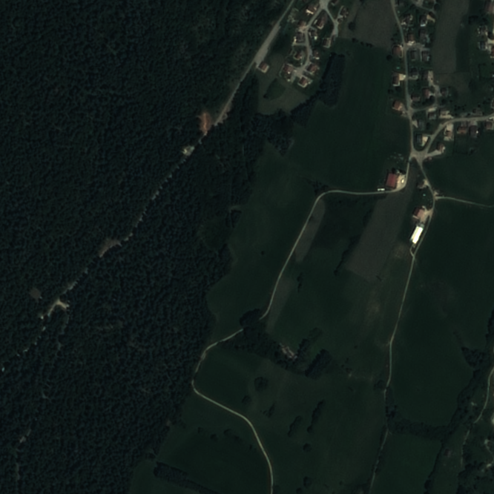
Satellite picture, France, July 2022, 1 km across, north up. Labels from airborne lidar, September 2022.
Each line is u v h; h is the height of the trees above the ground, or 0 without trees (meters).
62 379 21
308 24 0
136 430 26
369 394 0
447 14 0
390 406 7
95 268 32
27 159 10
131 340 32
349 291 0
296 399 0
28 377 29
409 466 0
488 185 0
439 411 0
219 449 0
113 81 23
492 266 0
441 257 0
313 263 0
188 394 24
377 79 0
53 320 17
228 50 8
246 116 17
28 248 24
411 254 0
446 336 0
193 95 17
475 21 15
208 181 19
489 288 0
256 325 8
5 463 26
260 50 0
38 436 19
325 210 0
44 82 30
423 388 0
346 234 0
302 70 0
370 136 0
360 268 0
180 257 25
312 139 0
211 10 6
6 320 17
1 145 16
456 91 0
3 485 18
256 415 0
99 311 23
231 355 0
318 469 0
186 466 0
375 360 0
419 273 0
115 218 12
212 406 0
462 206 0
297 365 19
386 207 0
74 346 19
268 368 0
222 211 18
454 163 0
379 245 0
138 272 29
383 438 7
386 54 0
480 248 0
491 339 18
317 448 0
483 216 0
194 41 14
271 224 0
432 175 0
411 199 0
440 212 0
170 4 12
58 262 22
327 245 0
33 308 18
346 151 0
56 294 19
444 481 0
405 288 0
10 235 11
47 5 23
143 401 28
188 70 8
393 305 0
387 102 0
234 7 16
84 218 20
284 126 24
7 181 8
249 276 0
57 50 26
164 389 25
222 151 15
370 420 0
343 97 0
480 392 0
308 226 0
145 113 18
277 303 0
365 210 0
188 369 23
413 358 0
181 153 22
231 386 0
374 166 0
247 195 19
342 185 0
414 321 0
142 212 13
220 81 11
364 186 0
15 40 17
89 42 8
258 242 0
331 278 0
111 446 13
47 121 21
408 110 0
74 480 25
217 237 6
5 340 17
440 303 0
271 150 0
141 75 20
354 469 0
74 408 11
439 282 0
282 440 0
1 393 12
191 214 23
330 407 0
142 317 15
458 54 0
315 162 0
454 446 0
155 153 25
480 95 0
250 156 17
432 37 6
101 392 24
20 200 28
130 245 21
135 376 7
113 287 17
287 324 0
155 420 24
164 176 20
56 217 19
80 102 28
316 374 20
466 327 0
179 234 30
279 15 11
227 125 14
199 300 18
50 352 25
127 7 33
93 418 13
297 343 0
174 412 26
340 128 0
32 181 10
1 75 20
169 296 20
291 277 0
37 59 22
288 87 0
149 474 0
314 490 0
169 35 15
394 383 0
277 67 0
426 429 6
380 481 0
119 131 21
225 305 0
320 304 0
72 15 19
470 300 0
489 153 0
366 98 0
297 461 0
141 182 23
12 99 12
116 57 30
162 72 15
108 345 20
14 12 25
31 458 21
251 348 8
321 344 0
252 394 0
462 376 0
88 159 9
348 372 8
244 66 7
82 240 10
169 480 21
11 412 10
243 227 0
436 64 0
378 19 0
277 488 7
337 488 0
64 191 22
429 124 9
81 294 25
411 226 0
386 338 0
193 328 10
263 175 0
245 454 0
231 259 24
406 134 0
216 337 0
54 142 27
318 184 13
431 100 9
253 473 0
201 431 8
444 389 0
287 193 0
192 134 14
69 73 25
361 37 0
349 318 0
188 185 23
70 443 14
